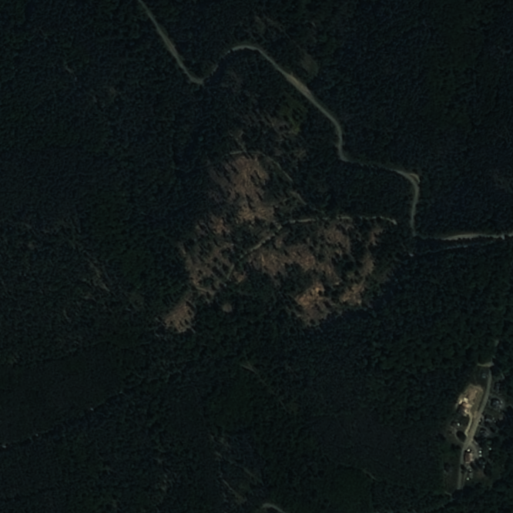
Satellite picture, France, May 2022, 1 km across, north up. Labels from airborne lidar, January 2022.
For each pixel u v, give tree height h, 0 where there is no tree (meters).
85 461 24
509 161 21
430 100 28
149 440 21
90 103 27
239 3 22
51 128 28
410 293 28
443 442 23
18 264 22
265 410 10
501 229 27
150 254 28
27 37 26
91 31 28
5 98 25
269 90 20
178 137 32
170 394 16
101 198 24
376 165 0
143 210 28
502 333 21
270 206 0
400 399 26
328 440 16
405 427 17
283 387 15
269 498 15
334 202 25
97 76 32
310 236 28
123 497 26
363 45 20
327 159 26
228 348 20
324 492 18
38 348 22
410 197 7
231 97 19
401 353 34
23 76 24
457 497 20
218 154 28
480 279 28
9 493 18
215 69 0
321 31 24
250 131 23
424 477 16
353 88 27
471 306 32
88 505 22
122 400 37
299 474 18
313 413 19
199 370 11
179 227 32
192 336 21
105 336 11
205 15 26
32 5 25
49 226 31
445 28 26
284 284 25
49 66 31
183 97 38
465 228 29
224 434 25
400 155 23
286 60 22
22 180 27
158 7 28
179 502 16
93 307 24
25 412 10
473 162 22
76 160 29
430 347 33
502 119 21
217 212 22
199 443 14
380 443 18
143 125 24
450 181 36
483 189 26
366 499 16
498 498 11
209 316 26
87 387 15
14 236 24
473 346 36
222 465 18
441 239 0
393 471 19
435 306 29
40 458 22
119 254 27
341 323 28
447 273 24
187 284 30
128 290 26
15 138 25
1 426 11
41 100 27
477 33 24
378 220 11
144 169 29
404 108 22
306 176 25
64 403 14
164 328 26
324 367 22
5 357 23
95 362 14
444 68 28
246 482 26
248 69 20
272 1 26
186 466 14
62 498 25
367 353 27
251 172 0
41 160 31
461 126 30
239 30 21
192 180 29
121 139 34
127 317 25
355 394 21
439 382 23
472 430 0
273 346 12
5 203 22
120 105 34
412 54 24
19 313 23
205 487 14
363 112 31
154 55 12
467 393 0
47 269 24
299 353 27
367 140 26
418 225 16
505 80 14
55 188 31
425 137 21
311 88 24
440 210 26
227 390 19
